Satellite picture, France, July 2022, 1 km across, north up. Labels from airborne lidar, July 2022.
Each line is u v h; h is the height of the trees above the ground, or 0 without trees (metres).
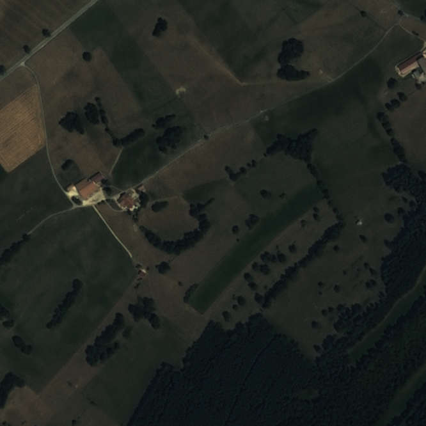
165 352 0
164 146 23
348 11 0
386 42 0
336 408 30
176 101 0
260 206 0
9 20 0
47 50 0
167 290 0
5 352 0
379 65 0
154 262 0
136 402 0
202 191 0
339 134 0
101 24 0
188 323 0
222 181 0
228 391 23
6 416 0
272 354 23
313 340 0
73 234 0
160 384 17
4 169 0
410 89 0
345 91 0
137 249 0
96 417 0
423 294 0
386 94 0
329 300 0
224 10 0
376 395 26
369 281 0
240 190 0
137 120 0
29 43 0
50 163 0
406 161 19
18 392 0
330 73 0
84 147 0
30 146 0
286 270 0
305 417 21
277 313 0
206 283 0
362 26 0
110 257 0
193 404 21
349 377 23
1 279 0
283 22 0
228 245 0
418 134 0
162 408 22
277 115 0
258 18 0
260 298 18
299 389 18
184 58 0
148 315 11
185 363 17
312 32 0
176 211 0
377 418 13
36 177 0
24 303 0
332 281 0
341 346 23
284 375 19
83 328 0
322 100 0
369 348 0
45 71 0
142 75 0
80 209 0
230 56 0
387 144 0
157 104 0
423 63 0
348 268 0
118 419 0
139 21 0
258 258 0
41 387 0
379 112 0
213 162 0
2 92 0
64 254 0
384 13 0
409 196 0
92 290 0
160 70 0
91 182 0
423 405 22
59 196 0
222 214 0
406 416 15
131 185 0
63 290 0
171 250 25
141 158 0
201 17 0
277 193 0
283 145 20
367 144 0
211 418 22
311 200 0
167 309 0
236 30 0
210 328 11
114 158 0
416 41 0
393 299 17
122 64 0
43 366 0
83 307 0
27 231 0
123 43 0
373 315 15
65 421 0
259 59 0
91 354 18
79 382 0
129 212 11
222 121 0
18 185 0
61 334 0
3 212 0
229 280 0
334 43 0
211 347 9
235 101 0
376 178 0
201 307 0
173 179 0
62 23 0
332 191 0
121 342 0
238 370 22
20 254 0
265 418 20
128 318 0
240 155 0
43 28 0
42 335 0
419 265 16
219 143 0
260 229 0
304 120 0
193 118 0
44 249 0
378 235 0
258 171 0
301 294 0
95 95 0
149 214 0
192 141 0
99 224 0
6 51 0
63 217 0
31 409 0
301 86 0
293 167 0
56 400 0
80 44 0
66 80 0
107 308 0
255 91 0
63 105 0
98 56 0
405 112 0
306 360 17
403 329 26
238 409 20
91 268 0
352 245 0
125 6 0
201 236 18
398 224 0
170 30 0
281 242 0
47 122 0
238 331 18
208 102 0
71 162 11
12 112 0
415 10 0
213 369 19
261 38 0
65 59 0
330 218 0
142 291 0
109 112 0
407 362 20
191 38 0
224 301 0
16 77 0
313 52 0
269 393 18
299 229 0
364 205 0
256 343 23
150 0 0
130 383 0
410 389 0
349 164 0
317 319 0
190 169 0
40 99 0
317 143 0
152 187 0
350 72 0
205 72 0
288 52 24
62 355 0
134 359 0
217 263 0
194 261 0
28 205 0
